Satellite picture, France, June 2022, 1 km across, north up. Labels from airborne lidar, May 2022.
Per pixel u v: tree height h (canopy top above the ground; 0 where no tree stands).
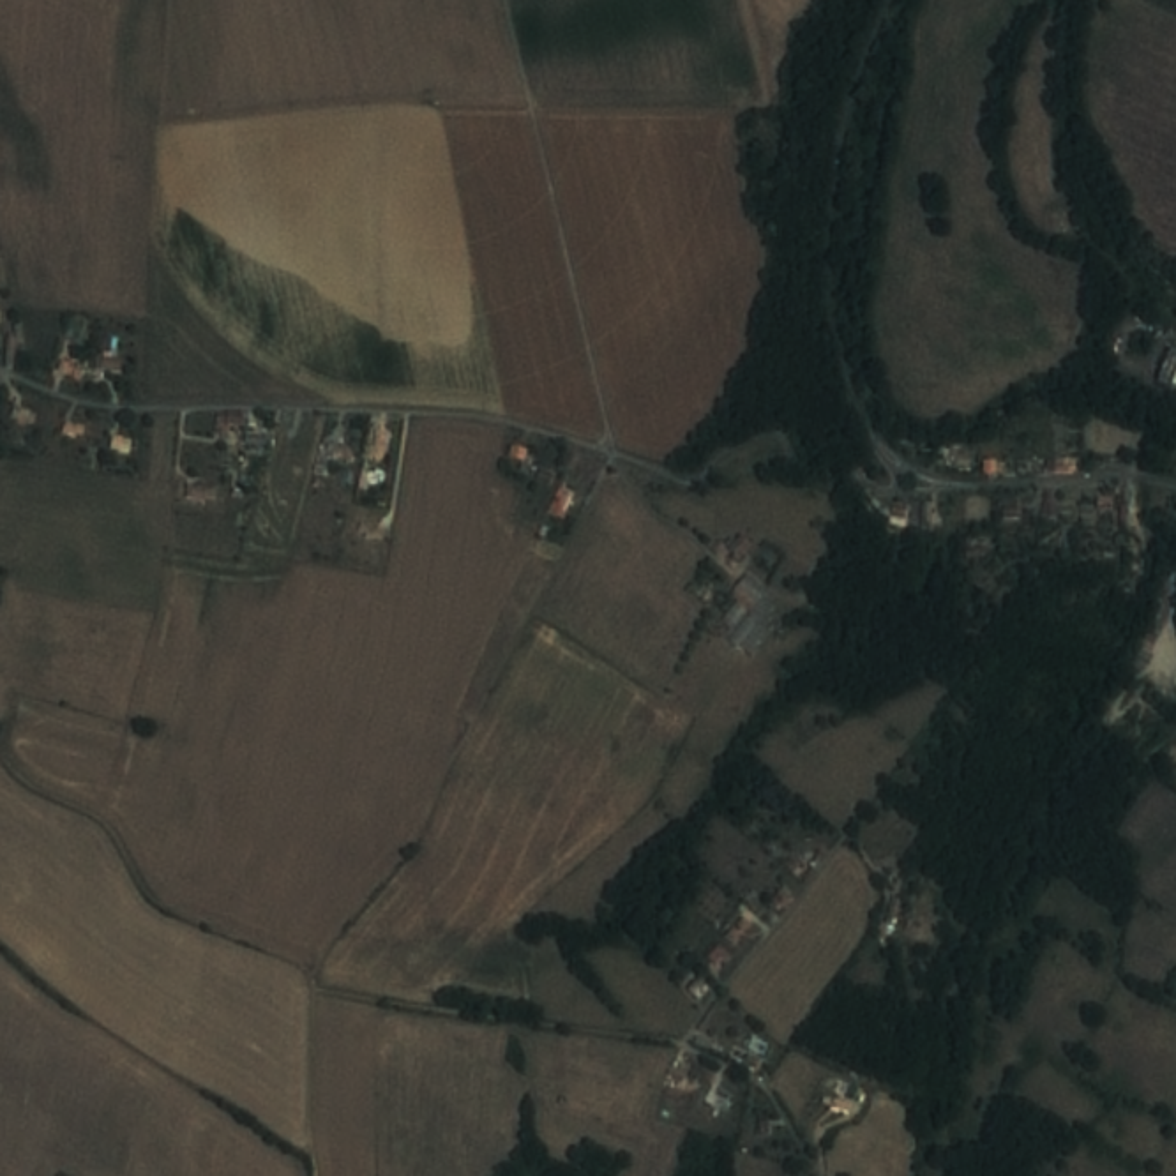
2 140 0
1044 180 0
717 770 10
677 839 16
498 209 0
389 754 0
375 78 0
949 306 0
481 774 0
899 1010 15
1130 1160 0
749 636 0
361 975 0
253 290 0
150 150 0
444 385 0
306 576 0
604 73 0
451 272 0
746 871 7
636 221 0
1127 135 0
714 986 9
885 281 0
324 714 0
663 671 0
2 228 0
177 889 0
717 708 0
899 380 0
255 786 0
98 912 0
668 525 0
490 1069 0
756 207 23
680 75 0
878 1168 0
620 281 0
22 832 0
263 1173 0
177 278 0
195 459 0
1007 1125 20
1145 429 15
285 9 0
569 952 18
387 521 0
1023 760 25
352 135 0
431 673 0
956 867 15
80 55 0
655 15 0
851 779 0
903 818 11
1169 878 0
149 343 0
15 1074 0
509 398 0
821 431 11
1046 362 0
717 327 0
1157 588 17
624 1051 0
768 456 0
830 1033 17
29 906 0
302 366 0
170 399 0
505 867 0
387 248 0
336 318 0
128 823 0
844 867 0
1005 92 16
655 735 0
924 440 17
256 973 0
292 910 0
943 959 10
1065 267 0
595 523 0
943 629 18
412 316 0
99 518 0
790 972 0
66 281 0
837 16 18
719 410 11
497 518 0
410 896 0
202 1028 0
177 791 0
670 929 8
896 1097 7
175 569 0
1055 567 13
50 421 0
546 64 0
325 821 0
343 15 0
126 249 0
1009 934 0
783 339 20
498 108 0
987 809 22
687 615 0
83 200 0
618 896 16
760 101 0
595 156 0
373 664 0
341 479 0
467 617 0
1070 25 22
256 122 0
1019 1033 0
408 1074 0
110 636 0
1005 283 0
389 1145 0
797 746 0
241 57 0
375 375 0
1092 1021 18
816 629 14
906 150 0
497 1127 0
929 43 0
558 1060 0
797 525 0
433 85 0
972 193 0
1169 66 0
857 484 9
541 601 0
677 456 9
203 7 0
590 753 0
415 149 0
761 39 0
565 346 0
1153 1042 0
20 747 0
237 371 0
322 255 0
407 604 0
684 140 0
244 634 0
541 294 0
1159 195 0
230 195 0
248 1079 0
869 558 16
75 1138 0
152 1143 0
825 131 23
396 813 0
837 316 6
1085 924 0
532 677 0
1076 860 17
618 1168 12
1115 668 10
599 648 0
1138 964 0
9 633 0
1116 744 22
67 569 0
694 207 0
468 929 0
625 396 0
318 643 0
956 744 11
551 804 0
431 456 0
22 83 0
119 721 0
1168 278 6
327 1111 0
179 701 0
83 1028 0
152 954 0
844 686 17
